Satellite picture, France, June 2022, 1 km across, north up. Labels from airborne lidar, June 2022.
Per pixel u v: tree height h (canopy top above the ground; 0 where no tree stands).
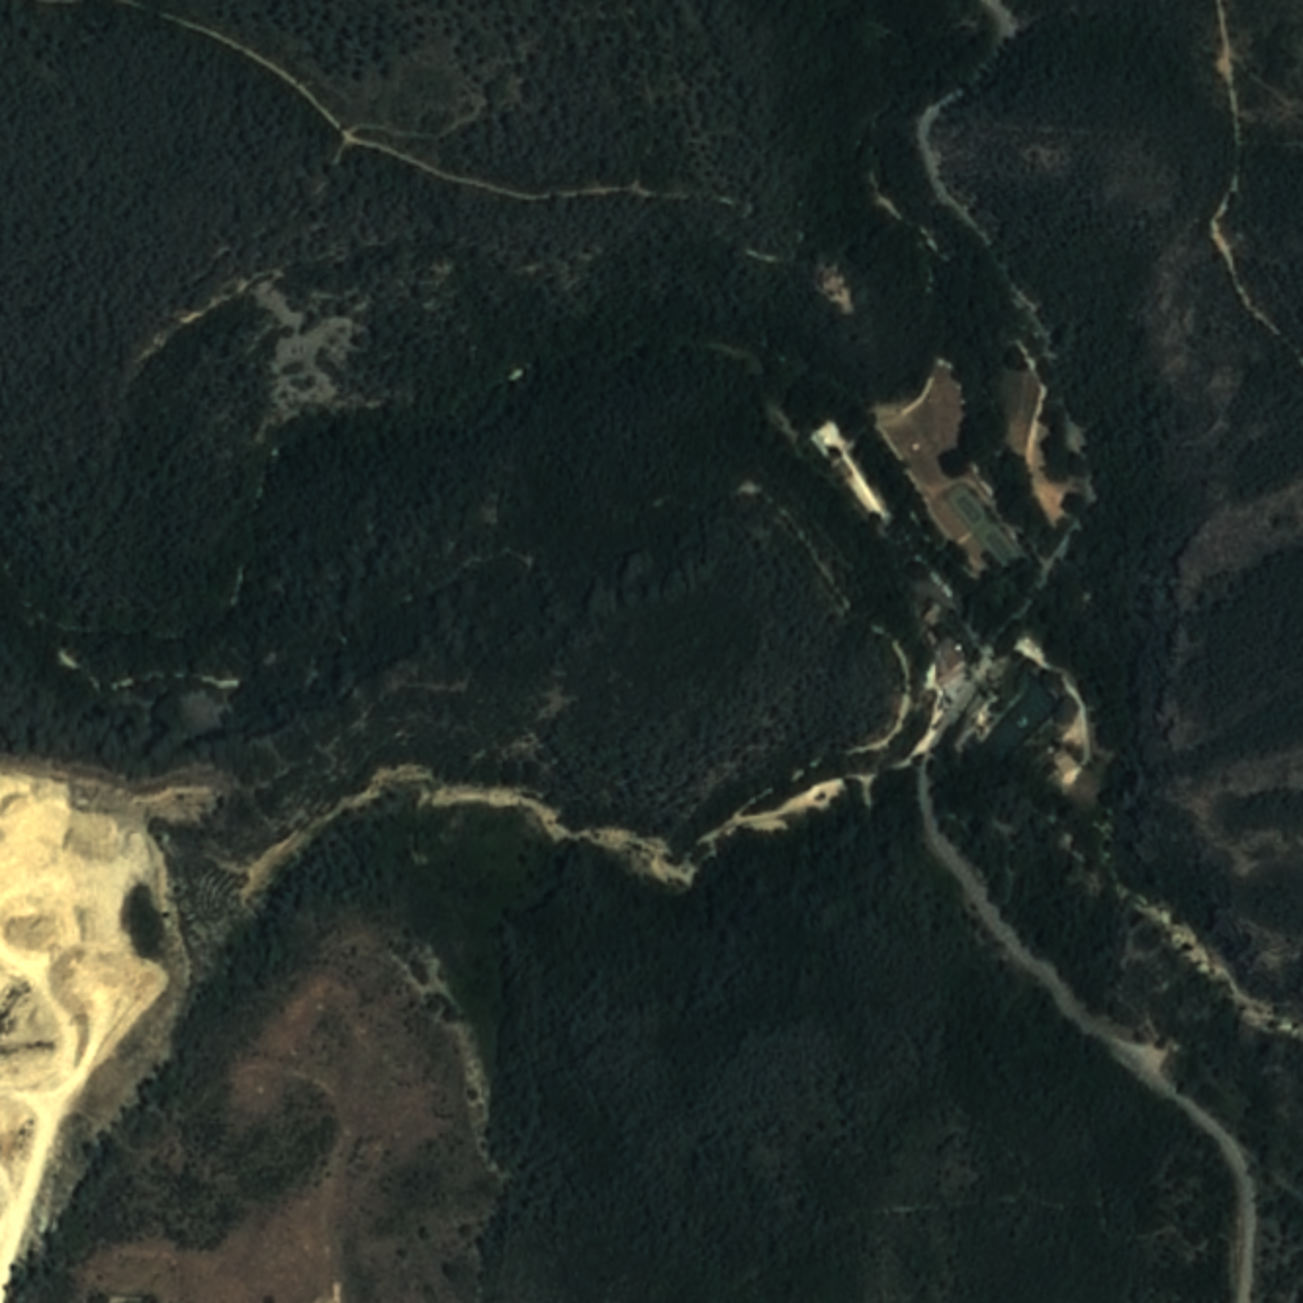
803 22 15
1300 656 13
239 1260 0
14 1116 0
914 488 9
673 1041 11
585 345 14
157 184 20
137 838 0
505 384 8
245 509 9
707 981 9
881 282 15
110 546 17
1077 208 13
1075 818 26
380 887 10
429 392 18
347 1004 0
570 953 10
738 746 9
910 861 10
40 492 17
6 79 13
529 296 11
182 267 18
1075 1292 11
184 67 21
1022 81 13
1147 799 9
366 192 18
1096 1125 12
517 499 11
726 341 14
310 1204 0
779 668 15
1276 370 13
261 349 25
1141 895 10
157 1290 0
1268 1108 11
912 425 0
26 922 0
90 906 0
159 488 20
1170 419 20
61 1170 0
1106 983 19
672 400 17
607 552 12
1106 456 13
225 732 6
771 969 9
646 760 17
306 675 12
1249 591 13
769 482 8
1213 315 7
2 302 18
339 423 10
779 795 12
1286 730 11
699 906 13
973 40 10
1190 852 7
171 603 19
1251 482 9
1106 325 11
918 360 12
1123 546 12
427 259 7
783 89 6
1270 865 0
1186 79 6
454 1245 0
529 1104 17
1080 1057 13
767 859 21
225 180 19
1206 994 12
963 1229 7
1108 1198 12
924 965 18
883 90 12
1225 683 13
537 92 21
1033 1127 6
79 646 13
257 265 17
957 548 10
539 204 7
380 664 13
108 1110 0
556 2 21
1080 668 16
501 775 12
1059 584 16
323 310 6
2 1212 0
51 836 0
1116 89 17
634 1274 6
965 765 13
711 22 19
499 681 7
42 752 18
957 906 6
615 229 21
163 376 10
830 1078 18
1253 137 12
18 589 11
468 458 7
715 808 13
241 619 16
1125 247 7
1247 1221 0
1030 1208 12
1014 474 17
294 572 15
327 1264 0
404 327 20
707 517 10
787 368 16
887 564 21
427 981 11
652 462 17
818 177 19
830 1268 8
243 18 18
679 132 9
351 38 20
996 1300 9
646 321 17
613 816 13
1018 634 11
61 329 19
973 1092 11
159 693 12
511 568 10
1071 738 0
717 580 9
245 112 21
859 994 16
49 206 17
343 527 9
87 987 0
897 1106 14
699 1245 12
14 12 20
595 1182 12
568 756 22
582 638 13
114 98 16
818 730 11
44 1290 7
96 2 12
